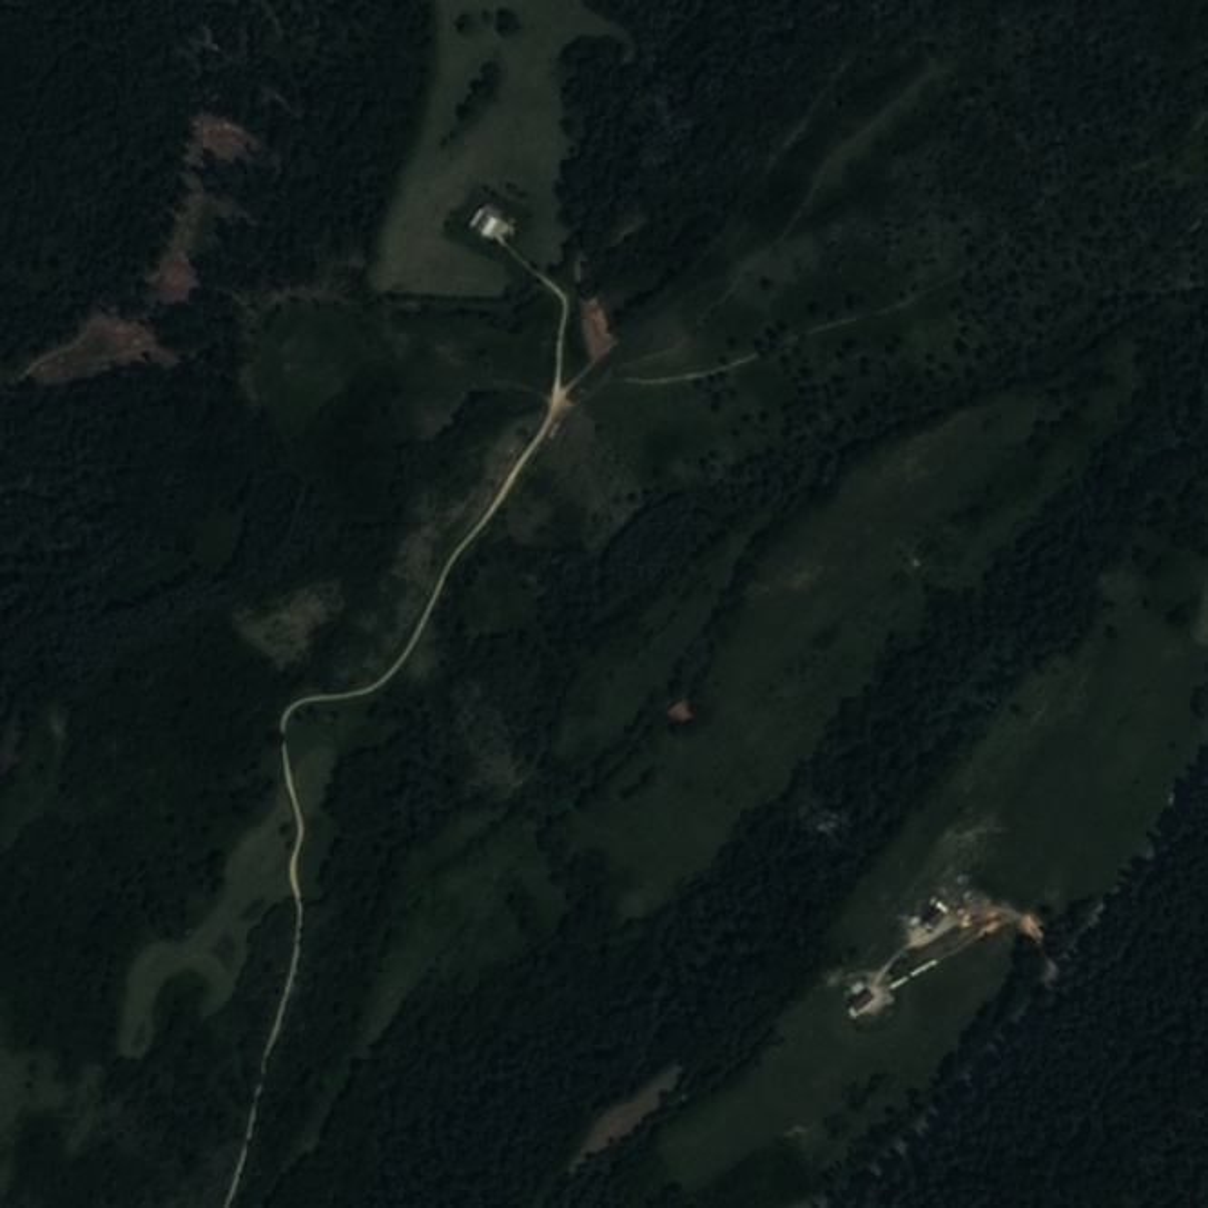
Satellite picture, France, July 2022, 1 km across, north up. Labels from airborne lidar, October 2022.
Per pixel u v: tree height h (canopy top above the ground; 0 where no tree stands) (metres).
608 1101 18
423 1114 22
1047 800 0
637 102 28
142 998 0
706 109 27
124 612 28
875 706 20
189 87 12
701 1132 0
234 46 16
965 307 17
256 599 6
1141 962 29
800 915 25
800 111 11
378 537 13
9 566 23
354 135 20
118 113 16
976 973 0
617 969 23
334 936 10
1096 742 0
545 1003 14
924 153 6
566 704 14
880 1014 0
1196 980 29
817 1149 0
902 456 0
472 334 0
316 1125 0
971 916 0
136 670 10
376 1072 18
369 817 12
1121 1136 26
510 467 0
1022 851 0
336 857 15
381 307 0
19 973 8
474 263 0
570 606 21
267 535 19
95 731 15
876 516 0
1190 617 7
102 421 15
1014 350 12
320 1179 11
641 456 0
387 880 18
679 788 0
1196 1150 21
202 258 8
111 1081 9
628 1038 27
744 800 0
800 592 0
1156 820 0
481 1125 28
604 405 0
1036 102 13
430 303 7
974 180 7
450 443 7
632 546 17
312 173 17
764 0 22
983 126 10
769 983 19
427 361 0
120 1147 10
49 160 13
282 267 22
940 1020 0
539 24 0
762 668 0
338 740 0
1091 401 14
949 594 11
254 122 27
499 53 0
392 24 14
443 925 0
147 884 15
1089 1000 34
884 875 0
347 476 6
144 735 13
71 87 20
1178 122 12
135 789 6
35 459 22
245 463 23
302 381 0
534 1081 27
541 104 0
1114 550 11
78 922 10
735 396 18
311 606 0
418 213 0
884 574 0
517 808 14
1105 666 0
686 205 13
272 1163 6
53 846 9
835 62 11
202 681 8
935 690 19
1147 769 0
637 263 17
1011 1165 26
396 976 0
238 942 0
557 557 14
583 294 13
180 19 21
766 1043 13
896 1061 0
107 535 25
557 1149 27
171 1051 12
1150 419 20
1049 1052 30
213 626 14
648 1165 13
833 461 27
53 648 10
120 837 8
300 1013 7
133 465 19
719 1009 25
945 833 0
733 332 0
